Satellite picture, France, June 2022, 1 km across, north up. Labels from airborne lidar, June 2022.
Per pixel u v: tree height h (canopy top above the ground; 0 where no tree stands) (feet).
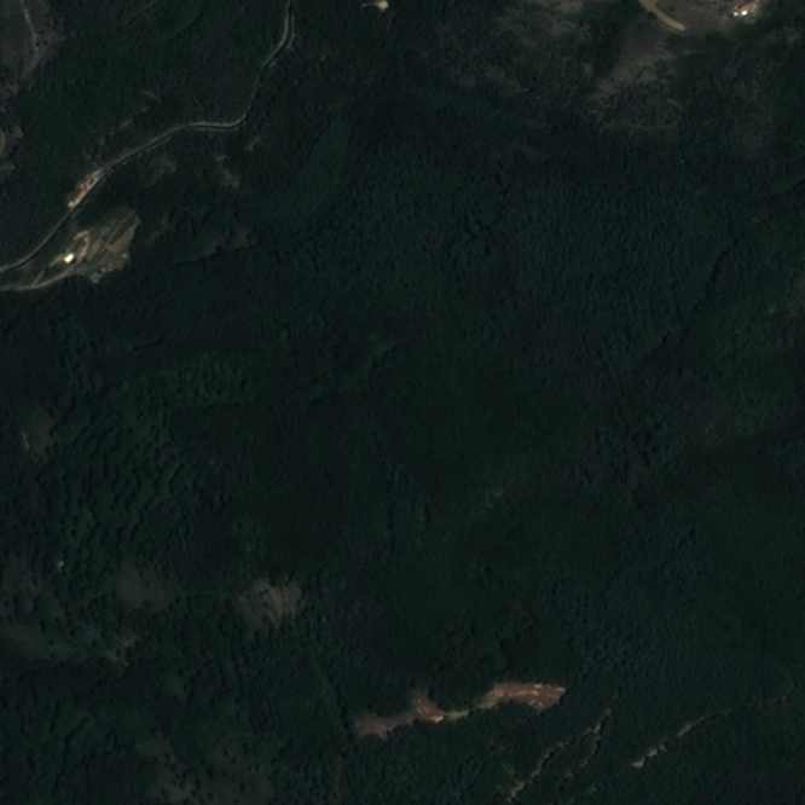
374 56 40
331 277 62
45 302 59
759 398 47
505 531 58
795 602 82
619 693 47
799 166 61
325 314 62
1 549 30
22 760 95
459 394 48
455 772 60
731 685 77
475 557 82
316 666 61
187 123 55
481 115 61
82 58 51
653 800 78
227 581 58
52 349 82
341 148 52
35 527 26
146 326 79
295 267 64
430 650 45
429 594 43
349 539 61
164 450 41
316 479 76
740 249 68
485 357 67
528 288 55
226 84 81
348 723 55
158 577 19
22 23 0
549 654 63
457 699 64
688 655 78
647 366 65
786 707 69
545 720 74
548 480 59
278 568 46
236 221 59
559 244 56
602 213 65
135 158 43
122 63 64
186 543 71
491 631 54
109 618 58
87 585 35
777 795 69
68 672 60
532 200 56
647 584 74
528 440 46
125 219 0
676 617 73
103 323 67
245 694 35
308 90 60
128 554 42
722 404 54
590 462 52
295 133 47
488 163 66
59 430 43
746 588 72
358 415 63
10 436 45
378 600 55
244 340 82
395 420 68
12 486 64
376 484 58
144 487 30
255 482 61
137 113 34
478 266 121
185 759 56
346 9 79
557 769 76
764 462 99
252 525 67
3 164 48
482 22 39
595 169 49
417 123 52
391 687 60
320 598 36
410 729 51
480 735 43
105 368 66
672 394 89
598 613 93
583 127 66
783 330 24
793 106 31
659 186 47
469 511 39
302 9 53
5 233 52
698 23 0
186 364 46
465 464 28
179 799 0
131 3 52
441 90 69
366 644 60
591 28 30
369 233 50
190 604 41
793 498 66
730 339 34
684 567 104
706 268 21
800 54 47
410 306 66
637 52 0
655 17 22
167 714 70
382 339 41
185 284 53
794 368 61
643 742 76
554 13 23
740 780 92
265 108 57
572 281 81
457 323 64
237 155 36
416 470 55
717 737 57
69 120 58
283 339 71
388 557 37
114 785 47
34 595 26
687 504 65
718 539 74
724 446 40
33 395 70
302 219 54
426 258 38
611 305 67
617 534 58
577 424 46
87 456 18
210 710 21
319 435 67
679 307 77
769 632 73
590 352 55
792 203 74
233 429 65
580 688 83
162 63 55
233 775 23
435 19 39
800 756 45
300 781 18
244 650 57
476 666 34
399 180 65
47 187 60
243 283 56
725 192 54
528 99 40
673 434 99
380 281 74
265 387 87
